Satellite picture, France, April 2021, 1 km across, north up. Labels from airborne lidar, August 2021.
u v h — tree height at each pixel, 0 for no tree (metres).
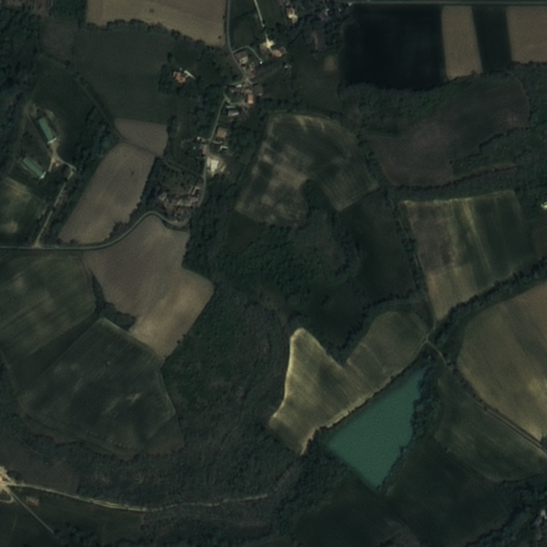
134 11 0
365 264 0
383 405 0
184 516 17
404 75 0
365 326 8
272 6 0
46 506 0
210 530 6
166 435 0
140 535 0
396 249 0
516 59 0
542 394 0
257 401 17
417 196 20
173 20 0
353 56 0
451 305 0
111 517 0
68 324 0
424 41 0
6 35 15
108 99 0
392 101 14
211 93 12
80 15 13
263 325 12
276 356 12
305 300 11
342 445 0
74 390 0
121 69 0
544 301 0
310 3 12
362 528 0
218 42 0
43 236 8
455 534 0
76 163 10
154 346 0
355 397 0
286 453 18
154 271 0
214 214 14
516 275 0
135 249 0
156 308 0
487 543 13
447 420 0
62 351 0
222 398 9
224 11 0
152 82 0
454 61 0
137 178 0
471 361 0
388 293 0
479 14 0
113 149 0
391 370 0
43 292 0
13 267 0
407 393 0
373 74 0
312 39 15
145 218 0
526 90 10
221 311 10
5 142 7
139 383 0
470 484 0
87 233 0
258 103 9
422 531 0
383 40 0
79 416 0
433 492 0
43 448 18
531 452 0
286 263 11
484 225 0
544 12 0
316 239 16
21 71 14
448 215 0
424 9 0
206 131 17
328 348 18
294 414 0
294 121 0
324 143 0
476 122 0
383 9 0
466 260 0
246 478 15
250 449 8
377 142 0
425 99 16
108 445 0
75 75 12
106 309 13
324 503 13
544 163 10
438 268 0
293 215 0
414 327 0
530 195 15
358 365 0
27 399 0
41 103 0
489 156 20
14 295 0
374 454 0
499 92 0
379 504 0
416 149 0
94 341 0
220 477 12
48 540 0
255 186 0
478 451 0
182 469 9
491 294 11
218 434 11
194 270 12
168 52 0
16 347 0
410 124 0
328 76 0
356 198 0
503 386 0
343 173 0
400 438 0
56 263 0
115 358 0
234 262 11
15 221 0
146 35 0
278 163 0
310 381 0
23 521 0
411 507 0
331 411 0
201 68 0
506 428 0
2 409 14
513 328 0
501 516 0
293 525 15
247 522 20
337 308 0
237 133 15
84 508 0
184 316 0
